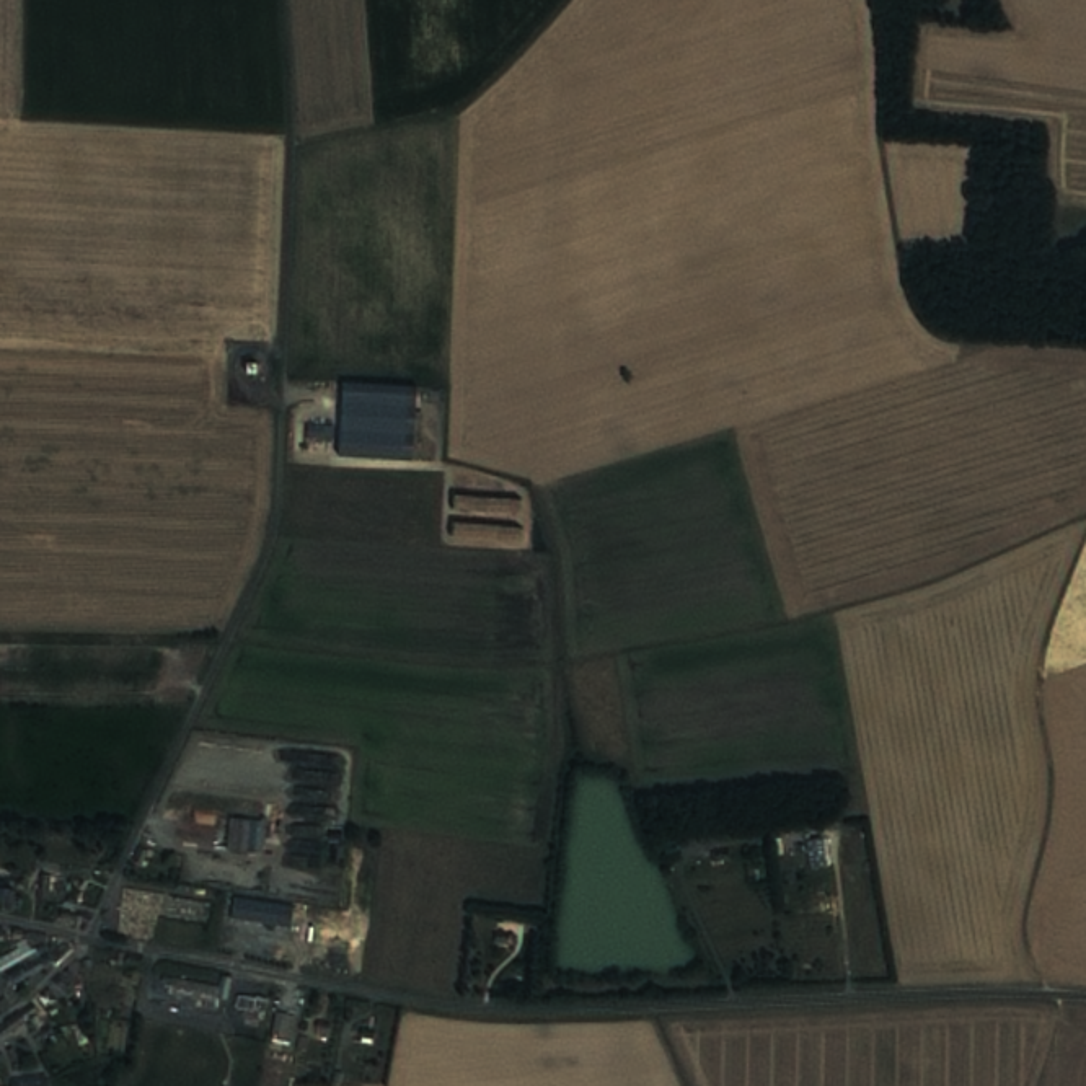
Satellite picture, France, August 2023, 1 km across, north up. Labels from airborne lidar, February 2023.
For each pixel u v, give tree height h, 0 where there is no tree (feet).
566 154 0
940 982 0
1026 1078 0
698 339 0
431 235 0
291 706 0
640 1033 0
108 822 54
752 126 0
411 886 0
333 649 0
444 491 0
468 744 0
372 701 0
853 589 0
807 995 0
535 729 0
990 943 0
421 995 0
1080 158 0
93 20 0
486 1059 0
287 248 0
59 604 0
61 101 0
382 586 0
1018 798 0
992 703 0
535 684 0
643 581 0
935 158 0
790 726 0
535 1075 0
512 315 0
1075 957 0
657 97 0
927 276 51
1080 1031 0
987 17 45
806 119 0
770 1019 0
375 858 0
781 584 0
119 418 0
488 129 0
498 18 0
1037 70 0
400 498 0
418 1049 0
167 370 0
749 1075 0
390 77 0
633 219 0
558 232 0
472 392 0
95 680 0
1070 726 0
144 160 0
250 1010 0
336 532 0
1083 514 0
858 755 0
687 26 0
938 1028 0
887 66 47
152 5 0
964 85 0
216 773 0
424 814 0
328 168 0
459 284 0
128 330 0
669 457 0
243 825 0
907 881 0
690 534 0
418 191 0
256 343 0
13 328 0
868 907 0
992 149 60
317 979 0
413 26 0
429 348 0
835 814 57
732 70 0
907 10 67
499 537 0
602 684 0
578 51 0
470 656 0
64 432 0
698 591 0
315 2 0
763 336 0
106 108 0
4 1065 0
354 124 0
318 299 0
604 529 0
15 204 0
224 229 0
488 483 0
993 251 66
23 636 0
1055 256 64
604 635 0
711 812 55
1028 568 0
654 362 0
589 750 0
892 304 0
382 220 0
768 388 0
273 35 0
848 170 0
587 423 0
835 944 0
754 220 0
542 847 0
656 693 0
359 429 0
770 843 44
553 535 0
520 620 0
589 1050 0
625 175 0
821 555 0
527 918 33
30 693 0
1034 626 0
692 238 0
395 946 0
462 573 0
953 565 0
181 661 0
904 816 0
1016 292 58
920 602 0
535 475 0
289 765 0
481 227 0
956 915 0
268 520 0
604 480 0
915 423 0
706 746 0
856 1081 0
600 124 0
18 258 0
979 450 0
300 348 0
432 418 0
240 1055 0
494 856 0
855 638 0
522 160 0
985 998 0
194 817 0
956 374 0
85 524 0
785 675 0
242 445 0
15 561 0
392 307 0
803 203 0
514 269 0
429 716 0
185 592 0
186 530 0
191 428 0
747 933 0
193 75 0
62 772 0
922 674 0
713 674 0
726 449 0
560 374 0
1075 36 0
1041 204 65
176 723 0
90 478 0
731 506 0
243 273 0
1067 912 0
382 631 0
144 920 0
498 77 0
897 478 0
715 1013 0
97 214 0
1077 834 0
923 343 0
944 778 0
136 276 0
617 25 0
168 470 0
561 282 0
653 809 66
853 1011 0
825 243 0
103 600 0
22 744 0
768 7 0
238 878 0
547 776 0
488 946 0
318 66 0
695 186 0
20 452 0
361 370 0
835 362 0
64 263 0
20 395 0
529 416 0
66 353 0
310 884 0
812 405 0
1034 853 0
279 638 0
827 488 0
